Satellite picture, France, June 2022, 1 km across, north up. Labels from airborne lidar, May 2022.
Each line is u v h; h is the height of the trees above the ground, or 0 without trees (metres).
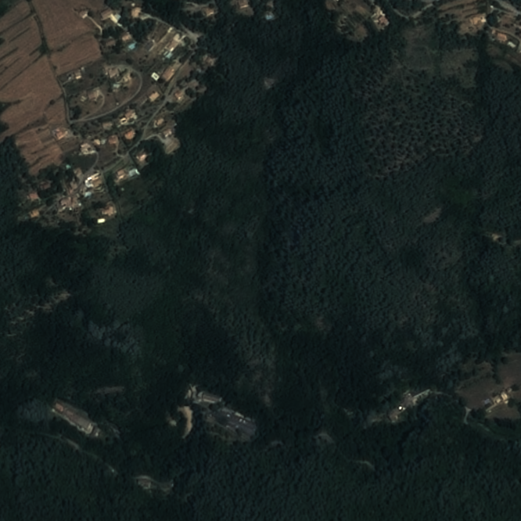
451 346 26
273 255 11
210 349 20
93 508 12
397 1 22
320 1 8
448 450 17
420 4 22
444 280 11
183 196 15
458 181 12
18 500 20
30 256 19
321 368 13
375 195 21
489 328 25
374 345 17
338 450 13
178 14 7
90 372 14
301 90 19
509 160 17
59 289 15
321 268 27
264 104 16
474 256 29
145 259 15
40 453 22
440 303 11
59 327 20
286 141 7
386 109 19
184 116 9
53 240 19
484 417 15
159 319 16
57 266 15
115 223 0
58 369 19
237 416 0
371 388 24
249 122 11
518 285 24
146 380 13
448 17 16
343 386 23
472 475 21
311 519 24
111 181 7
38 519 18
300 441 21
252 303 6
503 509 17
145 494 14
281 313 16
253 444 22
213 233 14
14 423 24
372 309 28
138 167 15
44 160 0
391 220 21
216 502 22
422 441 22
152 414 17
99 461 15
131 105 11
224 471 19
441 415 26
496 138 20
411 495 18
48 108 0
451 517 8
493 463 19
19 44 0
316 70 11
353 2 0
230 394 26
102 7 0
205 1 13
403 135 20
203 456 20
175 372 25
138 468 20
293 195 14
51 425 13
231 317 25
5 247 24
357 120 20
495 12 6
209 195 25
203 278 12
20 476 19
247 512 26
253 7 18
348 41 18
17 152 11
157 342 15
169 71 0
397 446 9
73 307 12
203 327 17
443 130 21
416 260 20
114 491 19
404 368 23
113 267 12
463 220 21
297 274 20
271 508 20
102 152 0
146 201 10
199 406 16
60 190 10
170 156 5
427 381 21
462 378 15
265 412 25
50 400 9
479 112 15
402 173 7
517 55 0
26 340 10
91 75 5
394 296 26
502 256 26
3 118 0
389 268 22
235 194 9
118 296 15
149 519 11
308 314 23
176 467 10
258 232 7
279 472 18
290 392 14
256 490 14
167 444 16
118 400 17
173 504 11
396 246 21
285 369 16
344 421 8
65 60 0
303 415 21
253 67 25
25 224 10
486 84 19
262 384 6
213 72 15
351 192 15
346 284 13
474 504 9
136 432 12
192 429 14
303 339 27
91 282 23
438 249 24
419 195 25
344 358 14
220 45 22
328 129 9
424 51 5
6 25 0
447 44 19
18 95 0
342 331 18
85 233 6
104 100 0
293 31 22
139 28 15
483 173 19
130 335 23
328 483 18
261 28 22
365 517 15
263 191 16
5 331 11
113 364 18
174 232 15
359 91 12
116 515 16
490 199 15
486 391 0
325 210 26
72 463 17
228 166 24
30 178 21
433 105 23
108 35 10
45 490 13
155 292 17
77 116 13
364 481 18
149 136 0
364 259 30
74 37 0
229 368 6
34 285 24
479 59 8
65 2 0
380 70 7
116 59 0
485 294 13
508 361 16
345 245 26
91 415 15
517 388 6
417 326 23
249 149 15
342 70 22
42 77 0
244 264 9
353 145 22
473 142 22
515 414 0
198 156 23
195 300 21
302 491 24
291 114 31
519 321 14
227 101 23
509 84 21
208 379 17
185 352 22
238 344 24
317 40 16
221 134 13
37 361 17
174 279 19
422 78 17
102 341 11
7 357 8
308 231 20
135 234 16
